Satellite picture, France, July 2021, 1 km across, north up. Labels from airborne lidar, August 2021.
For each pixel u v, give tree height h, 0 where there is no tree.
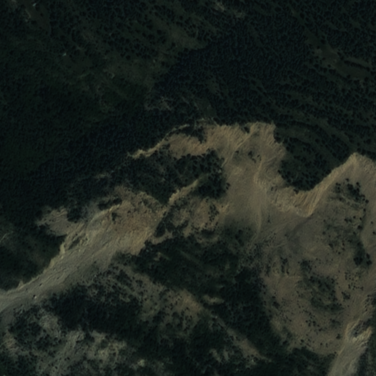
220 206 0
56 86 8
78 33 11
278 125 15
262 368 10
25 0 0
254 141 0
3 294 0
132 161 10
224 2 14
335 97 26
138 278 0
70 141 8
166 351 8
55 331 0
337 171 0
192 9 14
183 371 14
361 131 20
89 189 18
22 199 16
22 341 10
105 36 7
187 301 0
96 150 8
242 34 25
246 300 12
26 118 22
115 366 9
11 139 10
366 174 0
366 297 0
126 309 12
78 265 0
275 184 0
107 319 12
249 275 7
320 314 0
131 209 0
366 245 0
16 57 9
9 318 0
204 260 9
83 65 0
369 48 15
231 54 27
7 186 18
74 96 7
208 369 9
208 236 10
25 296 0
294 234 0
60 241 12
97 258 0
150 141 7
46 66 6
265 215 0
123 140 17
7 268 6
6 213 11
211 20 19
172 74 8
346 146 17
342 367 0
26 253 8
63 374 9
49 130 16
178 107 13
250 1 28
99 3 22
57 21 23
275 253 0
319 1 17
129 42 18
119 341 0
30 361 12
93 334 9
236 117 19
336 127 14
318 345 0
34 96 7
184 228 9
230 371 11
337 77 17
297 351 9
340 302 0
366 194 0
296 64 28
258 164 0
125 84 9
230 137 0
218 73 20
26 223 7
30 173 10
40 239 8
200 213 0
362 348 0
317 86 21
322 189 0
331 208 0
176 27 0
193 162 10
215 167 10
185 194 0
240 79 28
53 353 6
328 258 0
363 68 16
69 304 13
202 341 12
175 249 11
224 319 10
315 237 0
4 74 10
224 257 10
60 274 0
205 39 16
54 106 25
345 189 0
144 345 12
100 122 7
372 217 0
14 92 11
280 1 13
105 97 10
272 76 23
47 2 10
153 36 16
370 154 14
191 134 23
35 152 10
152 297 6
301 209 0
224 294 13
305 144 17
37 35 8
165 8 21
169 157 7
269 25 27
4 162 17
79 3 9
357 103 24
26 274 6
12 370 6
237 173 0
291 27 17
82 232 0
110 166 9
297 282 0
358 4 20
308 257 0
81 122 15
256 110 22
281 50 25
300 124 16
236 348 7
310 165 15
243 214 0
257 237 0
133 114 8
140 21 22
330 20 17
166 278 8
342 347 0
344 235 0
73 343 0
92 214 0
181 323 9
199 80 7
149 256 8
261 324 11
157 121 10
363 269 0
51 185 25
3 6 16
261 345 9
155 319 11
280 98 18
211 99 20
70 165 21
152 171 12
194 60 31
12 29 19
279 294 0
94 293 7
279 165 0
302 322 0
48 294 0
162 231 7
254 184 0
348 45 17
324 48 0
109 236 0
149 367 7
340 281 0
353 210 0
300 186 11
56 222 0
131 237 0
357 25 0
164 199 6
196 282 10
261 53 13
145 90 8
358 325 0
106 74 7
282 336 0
